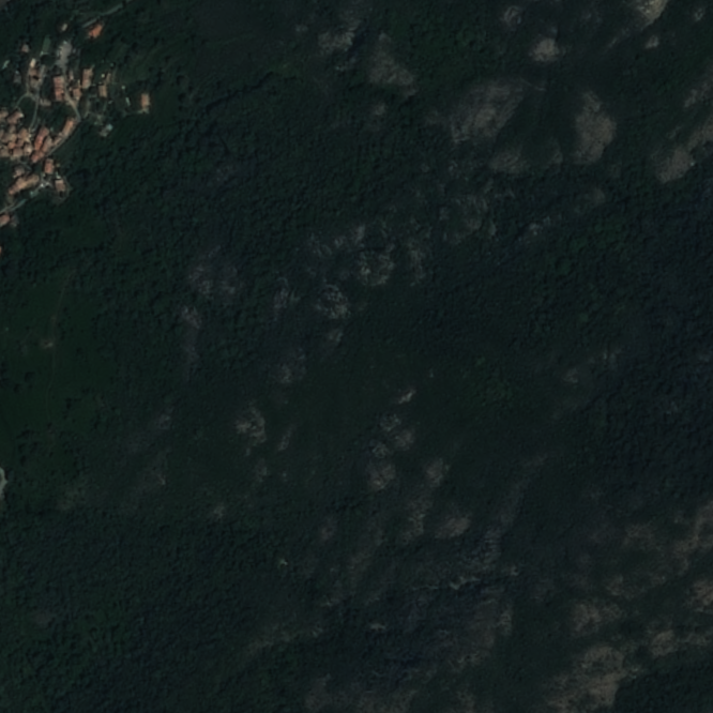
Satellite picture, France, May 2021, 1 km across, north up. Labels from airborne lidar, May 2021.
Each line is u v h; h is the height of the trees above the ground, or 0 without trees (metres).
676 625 5
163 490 6
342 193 10
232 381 7
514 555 5
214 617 15
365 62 8
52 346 0
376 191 16
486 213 6
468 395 8
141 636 8
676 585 9
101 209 16
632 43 8
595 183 16
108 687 12
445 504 9
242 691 18
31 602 15
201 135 16
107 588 12
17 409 0
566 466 7
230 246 13
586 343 12
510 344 9
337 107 14
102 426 13
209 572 15
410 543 8
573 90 7
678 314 9
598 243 16
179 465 7
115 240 9
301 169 13
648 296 13
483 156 8
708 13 8
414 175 12
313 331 8
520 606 6
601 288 9
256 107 16
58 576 7
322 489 6
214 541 13
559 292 10
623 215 18
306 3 8
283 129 10
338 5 6
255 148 12
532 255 8
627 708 12
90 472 6
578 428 8
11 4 25
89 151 11
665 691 9
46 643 10
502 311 11
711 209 6
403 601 6
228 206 13
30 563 7
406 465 8
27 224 8
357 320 7
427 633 5
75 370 0
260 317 15
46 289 0
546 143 6
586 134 0
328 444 7
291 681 9
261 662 13
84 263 14
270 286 6
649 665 6
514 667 6
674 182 11
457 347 8
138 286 6
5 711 8
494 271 8
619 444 9
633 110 8
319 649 12
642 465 12
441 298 9
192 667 11
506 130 9
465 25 13
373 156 14
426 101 11
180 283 7
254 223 14
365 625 10
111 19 10
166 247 7
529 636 6
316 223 8
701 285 9
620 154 8
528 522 6
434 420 6
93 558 7
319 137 9
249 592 6
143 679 10
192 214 12
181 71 10
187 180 14
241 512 9
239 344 6
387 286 8
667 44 8
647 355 7
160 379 7
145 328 11
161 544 16
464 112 0
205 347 7
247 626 9
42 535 13
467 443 6
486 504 7
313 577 8
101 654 8
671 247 8
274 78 17
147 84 12
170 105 0
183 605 12
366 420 6
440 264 8
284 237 9
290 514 10
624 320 7
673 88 10
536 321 15
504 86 0
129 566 23
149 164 7
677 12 8
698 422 10
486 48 12
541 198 8
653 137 7
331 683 7
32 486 9
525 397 6
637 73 8
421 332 9
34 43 16
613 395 15
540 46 0
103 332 7
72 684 10
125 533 15
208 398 6
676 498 7
